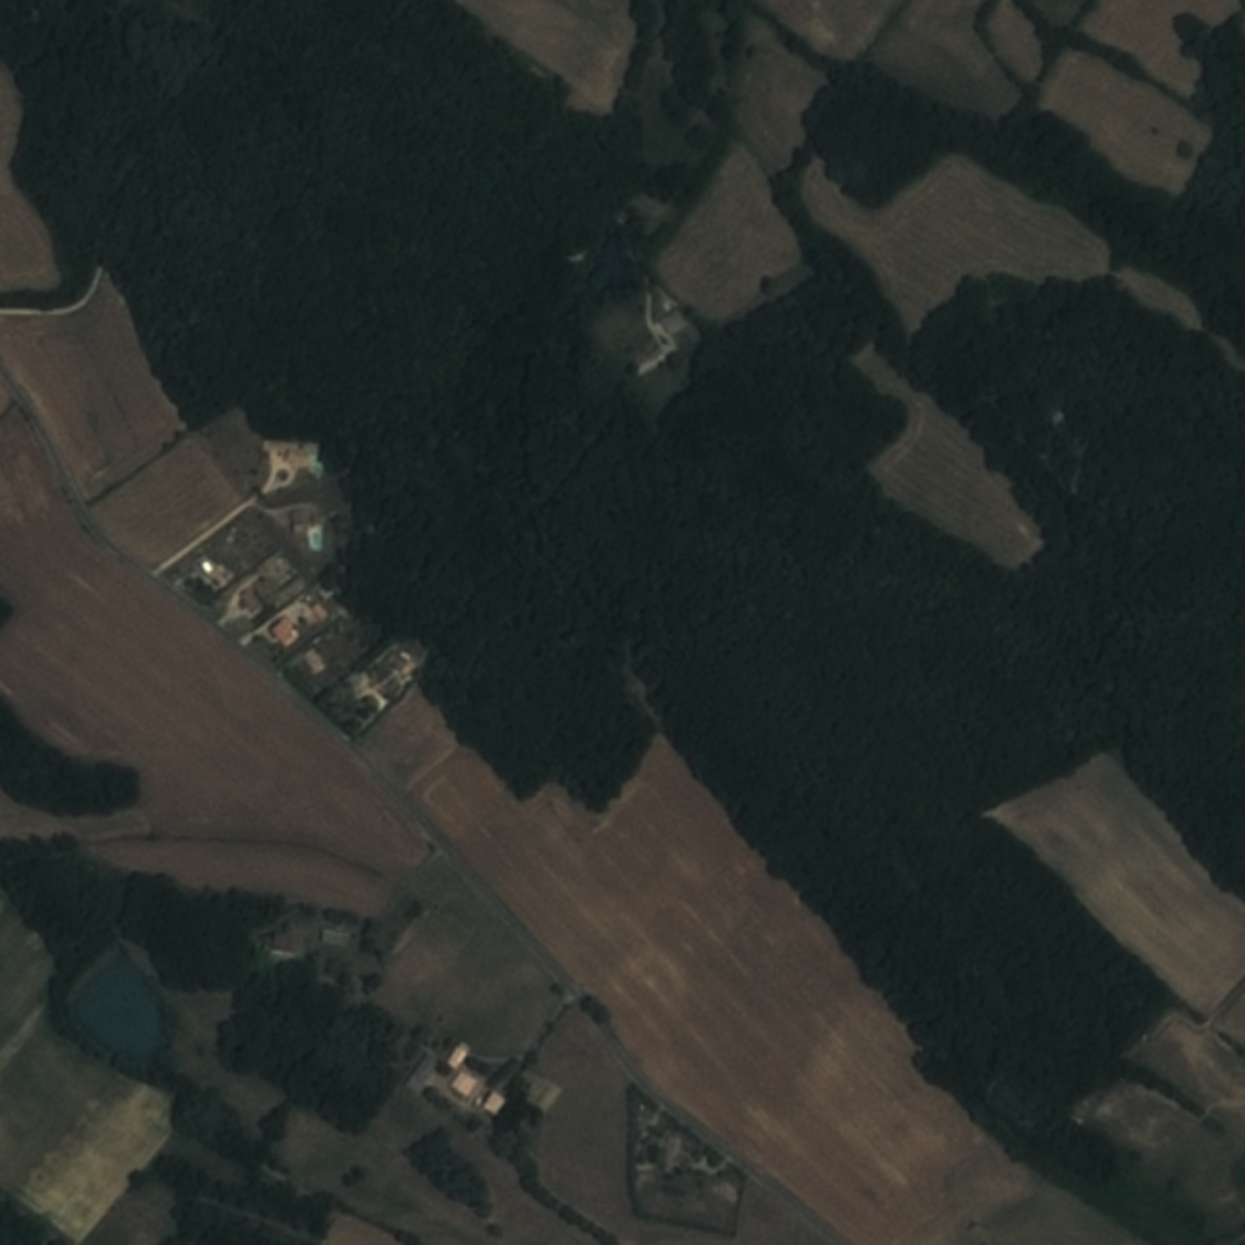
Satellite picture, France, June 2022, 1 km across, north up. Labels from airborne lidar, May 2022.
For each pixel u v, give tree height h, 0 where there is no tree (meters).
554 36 0
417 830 0
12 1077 0
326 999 19
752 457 17
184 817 0
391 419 20
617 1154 0
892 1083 0
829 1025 0
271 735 0
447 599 15
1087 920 12
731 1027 0
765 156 0
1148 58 0
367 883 0
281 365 16
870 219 0
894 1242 0
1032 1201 0
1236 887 14
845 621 19
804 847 19
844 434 13
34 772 18
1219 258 8
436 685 12
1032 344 17
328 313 10
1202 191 13
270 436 15
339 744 0
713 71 17
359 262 14
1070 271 0
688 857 0
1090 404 14
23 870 10
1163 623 17
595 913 0
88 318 0
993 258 0
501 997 0
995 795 13
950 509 0
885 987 17
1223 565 15
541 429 24
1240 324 12
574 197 19
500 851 0
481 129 14
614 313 0
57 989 11
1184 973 0
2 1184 0
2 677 0
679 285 0
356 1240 0
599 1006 12
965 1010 20
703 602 18
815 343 19
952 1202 0
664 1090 0
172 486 0
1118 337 19
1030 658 21
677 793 0
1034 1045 16
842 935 17
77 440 0
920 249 0
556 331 22
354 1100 15
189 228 21
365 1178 13
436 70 12
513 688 24
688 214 0
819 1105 0
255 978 16
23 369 0
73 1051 0
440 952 0
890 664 10
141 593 0
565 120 19
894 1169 0
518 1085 8
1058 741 15
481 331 16
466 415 19
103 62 9
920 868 16
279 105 15
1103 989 13
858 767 12
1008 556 0
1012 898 13
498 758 21
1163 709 16
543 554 20
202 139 15
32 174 15
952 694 10
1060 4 0
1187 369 20
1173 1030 0
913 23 0
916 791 10
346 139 19
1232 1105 0
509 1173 0
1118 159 0
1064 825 0
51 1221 0
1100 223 9
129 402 0
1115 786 0
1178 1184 7
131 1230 0
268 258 16
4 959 0
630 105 16
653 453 22
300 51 17
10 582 0
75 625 0
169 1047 8
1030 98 8
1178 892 0
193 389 17
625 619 15
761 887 0
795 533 16
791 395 15
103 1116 0
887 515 14
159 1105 0
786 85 0
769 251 0
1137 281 0
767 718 18
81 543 0
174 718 0
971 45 0
